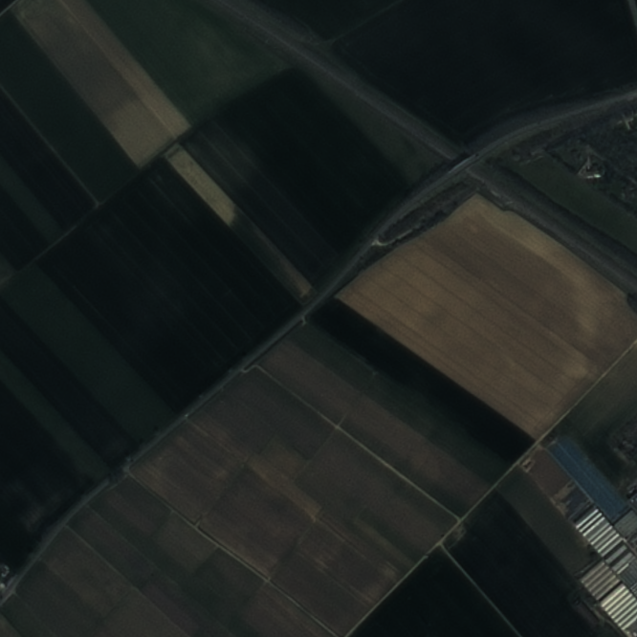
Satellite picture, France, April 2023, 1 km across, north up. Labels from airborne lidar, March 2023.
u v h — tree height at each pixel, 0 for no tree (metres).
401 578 0
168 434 0
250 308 0
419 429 0
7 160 0
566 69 0
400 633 0
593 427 0
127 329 0
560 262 0
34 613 0
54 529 14
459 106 0
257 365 0
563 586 0
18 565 0
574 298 0
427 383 0
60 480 0
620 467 0
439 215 7
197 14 0
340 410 0
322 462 0
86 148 0
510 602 0
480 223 0
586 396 0
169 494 0
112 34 0
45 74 0
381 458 0
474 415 0
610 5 0
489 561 0
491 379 0
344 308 0
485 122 0
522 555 0
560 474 0
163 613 0
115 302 0
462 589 0
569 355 0
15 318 0
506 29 0
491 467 0
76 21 0
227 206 0
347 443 0
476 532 0
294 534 0
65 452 0
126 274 0
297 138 0
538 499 0
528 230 0
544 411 0
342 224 0
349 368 0
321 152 0
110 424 0
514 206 0
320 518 0
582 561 0
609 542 0
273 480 0
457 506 0
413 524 0
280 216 0
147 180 0
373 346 0
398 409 0
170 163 0
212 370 0
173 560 0
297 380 0
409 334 0
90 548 0
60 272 0
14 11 0
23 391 0
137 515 0
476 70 0
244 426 0
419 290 0
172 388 0
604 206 0
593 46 0
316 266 0
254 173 0
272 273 0
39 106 0
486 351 0
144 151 0
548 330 0
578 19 0
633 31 0
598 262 0
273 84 0
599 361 0
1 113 0
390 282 0
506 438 0
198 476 0
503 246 0
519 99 0
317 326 0
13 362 0
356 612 0
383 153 0
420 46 0
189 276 0
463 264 0
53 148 0
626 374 0
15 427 0
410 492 0
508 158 0
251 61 0
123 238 0
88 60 0
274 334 0
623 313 0
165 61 0
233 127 0
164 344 0
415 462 0
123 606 0
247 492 0
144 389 0
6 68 0
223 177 0
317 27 0
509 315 0
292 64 0
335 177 0
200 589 0
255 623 0
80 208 0
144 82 0
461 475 0
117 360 0
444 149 0
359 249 0
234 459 0
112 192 0
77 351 0
